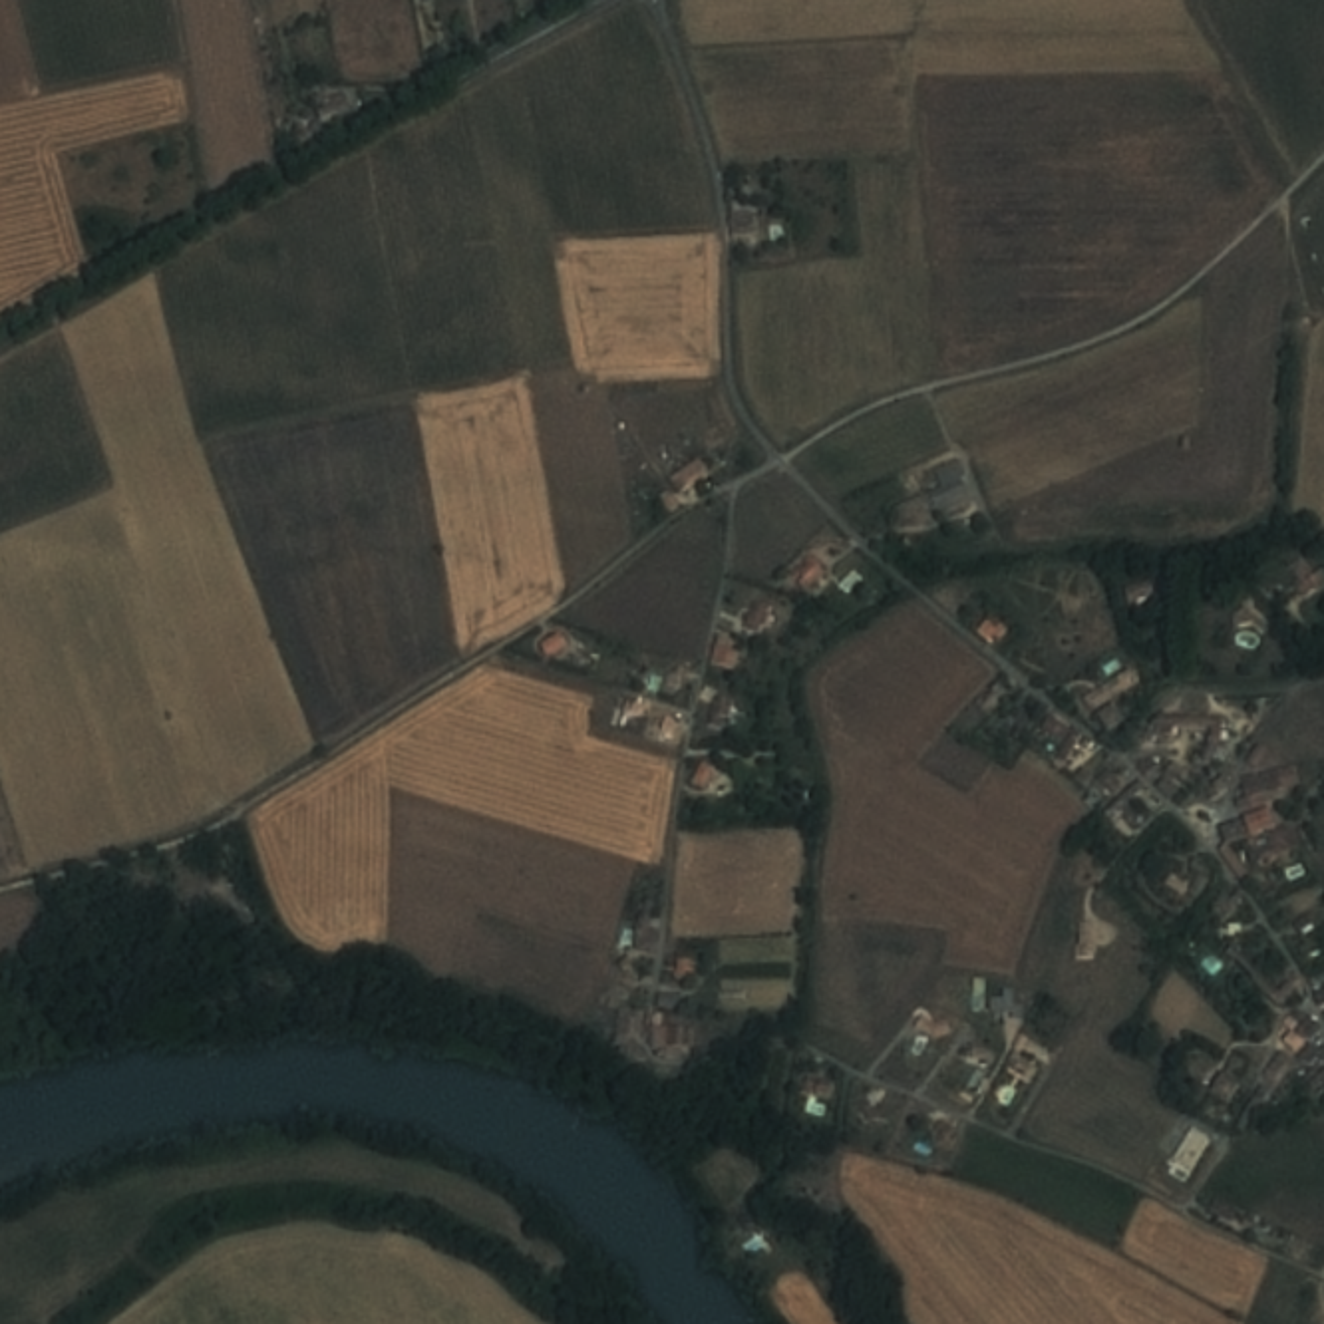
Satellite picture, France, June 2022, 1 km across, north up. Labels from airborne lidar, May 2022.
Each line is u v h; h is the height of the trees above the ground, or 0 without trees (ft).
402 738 0
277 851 0
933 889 0
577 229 0
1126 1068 0
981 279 0
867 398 0
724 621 0
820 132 0
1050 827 0
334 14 0
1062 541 0
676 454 0
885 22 0
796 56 0
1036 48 0
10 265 0
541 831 0
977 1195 0
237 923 44
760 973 0
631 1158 0
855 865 0
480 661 0
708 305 0
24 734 0
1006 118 0
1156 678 24
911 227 0
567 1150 0
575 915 0
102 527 0
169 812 0
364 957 63
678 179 0
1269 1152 0
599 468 0
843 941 0
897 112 0
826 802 26
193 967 64
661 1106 55
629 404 0
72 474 0
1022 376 0
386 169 0
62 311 72
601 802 0
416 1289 0
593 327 0
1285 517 42
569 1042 57
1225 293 0
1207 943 18
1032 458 0
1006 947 0
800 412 0
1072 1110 0
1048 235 0
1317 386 0
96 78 0
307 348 0
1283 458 22
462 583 0
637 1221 0
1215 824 0
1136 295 0
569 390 0
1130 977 0
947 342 0
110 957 69
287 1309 0
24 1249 0
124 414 0
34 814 0
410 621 0
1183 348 0
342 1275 0
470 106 0
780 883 0
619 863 0
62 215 0
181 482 0
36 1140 0
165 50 0
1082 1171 0
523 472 0
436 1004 40
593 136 0
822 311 0
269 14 0
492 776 0
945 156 0
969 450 0
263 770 0
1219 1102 20
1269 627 31
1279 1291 0
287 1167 0
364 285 0
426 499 0
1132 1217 0
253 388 0
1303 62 0
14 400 0
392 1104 0
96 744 0
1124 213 0
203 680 0
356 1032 37
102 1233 0
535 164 0
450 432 0
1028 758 0
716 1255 20
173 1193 0
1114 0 0
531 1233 45
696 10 0
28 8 0
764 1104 27
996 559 18
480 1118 0
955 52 0
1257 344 0
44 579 0
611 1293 32
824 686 0
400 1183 0
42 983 63
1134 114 0
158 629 0
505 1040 47
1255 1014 30
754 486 0
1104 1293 0
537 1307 39
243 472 0
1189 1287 0
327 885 0
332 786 0
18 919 0
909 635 0
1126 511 0
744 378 0
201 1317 0
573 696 0
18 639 0
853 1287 68
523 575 0
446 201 0
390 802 0
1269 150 0
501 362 0
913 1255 0
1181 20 0
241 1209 0
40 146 0
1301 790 25
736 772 43
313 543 0
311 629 0
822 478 0
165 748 0
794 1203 41
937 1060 0
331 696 0
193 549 0
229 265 0
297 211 0
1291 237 0
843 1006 0
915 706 0
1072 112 0
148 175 0
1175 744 0
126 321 0
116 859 78
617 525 0
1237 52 0
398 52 0
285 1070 0
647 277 0
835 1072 36
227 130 0
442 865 0
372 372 0
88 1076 0
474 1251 47
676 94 0
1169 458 0
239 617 0
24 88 0
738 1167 0
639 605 0
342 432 0
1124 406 0
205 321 0
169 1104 0
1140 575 54
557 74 0
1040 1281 0
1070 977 0
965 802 0
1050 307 0
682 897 0
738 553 0
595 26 0
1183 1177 0
